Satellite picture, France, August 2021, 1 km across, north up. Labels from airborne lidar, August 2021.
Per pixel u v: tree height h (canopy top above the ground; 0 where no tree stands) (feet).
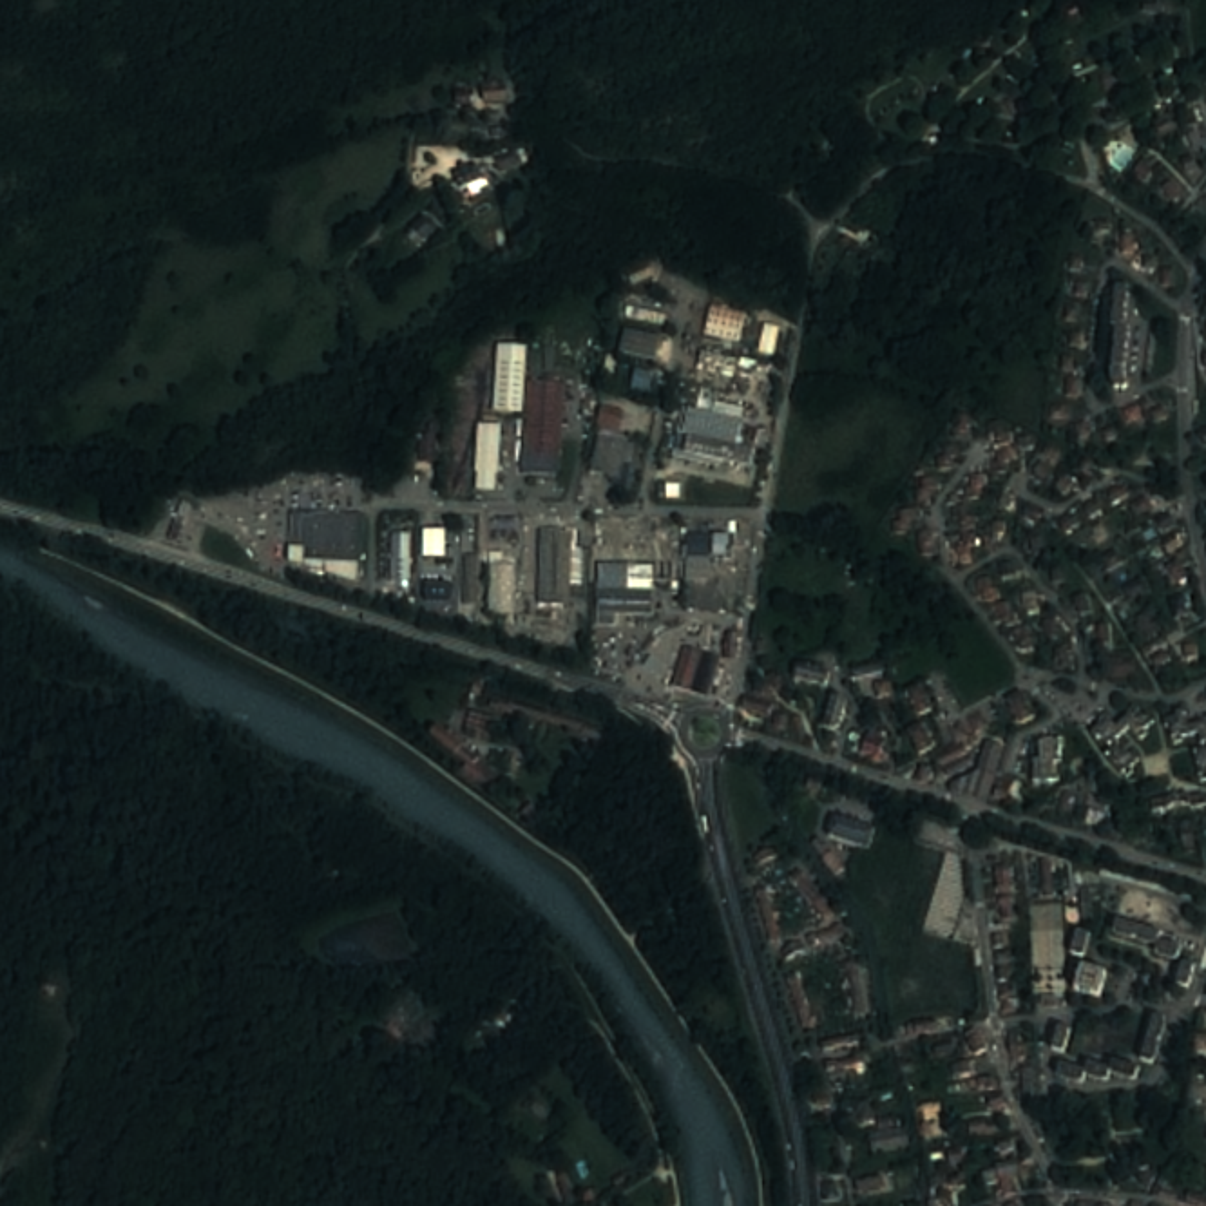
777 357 41
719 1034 22
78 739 75
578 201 19
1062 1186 34
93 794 80
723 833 0
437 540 0
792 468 0
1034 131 53
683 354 0
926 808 34
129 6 58
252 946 64
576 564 0
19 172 22
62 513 29
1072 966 0
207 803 58
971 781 0
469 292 37
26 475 80
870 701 45
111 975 43
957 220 70
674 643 0
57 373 52
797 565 0
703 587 0
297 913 60
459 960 40
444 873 31
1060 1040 0
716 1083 0
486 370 0
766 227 47
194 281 0
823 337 40
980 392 33
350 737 0
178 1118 85
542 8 47
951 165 36
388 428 29
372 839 53
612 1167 0
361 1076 69
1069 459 19
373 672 54
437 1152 71
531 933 33
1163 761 0
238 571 0
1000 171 39
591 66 32
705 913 63
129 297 44
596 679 0
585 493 0
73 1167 73
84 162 40
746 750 27
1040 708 31
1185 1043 59
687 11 57
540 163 29
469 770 0
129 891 65
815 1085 62
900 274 45
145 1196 58
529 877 0
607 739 48
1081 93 79
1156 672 22
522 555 0
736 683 0
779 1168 40
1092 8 47
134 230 22
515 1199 81
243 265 0
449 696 0
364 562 0
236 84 34
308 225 0
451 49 21
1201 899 47
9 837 74
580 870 0
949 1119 64
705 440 0
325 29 46
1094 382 43
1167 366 0
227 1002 63
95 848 95
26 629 37
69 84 35
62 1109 46
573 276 51
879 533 0
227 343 0
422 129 83
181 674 0
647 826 76
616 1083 52
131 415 29
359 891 45
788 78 49
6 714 70
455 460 0
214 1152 57
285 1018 91
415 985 62
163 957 79
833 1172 22
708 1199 0
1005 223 38
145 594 0
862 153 77
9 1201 36
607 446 0
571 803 66
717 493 0
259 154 45
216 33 45
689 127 29
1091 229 39
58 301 19
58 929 72
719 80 44
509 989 55
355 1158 94
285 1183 41
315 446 24
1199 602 45
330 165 0
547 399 0
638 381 0
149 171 54
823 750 0
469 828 0
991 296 63
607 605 0
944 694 0
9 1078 45
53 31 48
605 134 39
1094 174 0
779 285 41
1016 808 47
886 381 38
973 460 0
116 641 0
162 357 0
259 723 0
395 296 48
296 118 64
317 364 0
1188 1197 0
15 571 0
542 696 54
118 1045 55
